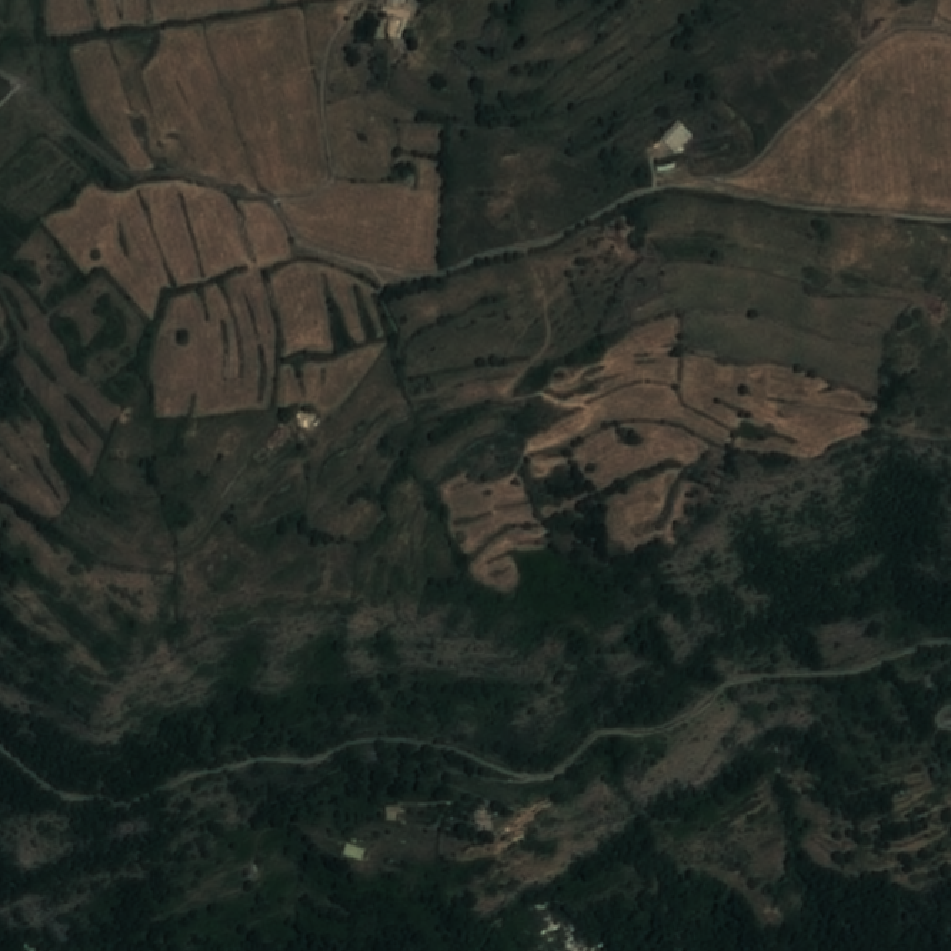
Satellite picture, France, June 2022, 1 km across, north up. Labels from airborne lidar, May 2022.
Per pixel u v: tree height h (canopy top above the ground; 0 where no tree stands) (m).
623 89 0
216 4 0
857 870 0
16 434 0
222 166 0
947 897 17
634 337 0
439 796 16
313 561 0
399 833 0
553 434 0
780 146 0
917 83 0
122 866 10
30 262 0
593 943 10
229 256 0
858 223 0
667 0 0
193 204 0
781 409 0
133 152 0
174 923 7
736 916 21
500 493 0
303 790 12
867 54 0
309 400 0
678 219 0
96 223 0
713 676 7
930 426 0
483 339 0
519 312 0
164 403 0
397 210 0
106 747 8
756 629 12
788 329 0
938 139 0
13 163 0
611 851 9
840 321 0
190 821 10
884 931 18
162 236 0
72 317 0
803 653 13
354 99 0
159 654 0
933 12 0
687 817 11
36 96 0
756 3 0
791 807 13
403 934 12
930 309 0
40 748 9
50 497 0
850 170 0
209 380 0
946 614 13
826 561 12
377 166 0
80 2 0
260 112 0
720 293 0
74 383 0
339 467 0
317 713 9
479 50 0
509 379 0
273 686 0
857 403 0
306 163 0
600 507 8
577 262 7
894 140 0
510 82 0
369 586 0
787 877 8
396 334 9
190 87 0
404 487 0
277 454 0
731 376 0
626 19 0
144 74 0
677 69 0
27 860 0
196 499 0
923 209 0
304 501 0
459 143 0
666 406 0
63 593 0
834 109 0
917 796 0
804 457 0
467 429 0
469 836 14
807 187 0
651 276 0
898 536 15
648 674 6
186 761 10
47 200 0
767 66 0
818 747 12
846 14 0
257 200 0
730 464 7
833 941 18
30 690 6
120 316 0
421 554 0
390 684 14
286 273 0
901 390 6
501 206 0
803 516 7
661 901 13
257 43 0
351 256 0
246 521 0
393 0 0
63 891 5
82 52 0
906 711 8
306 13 0
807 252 0
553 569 0
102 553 0
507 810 10
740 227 0
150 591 0
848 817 11
